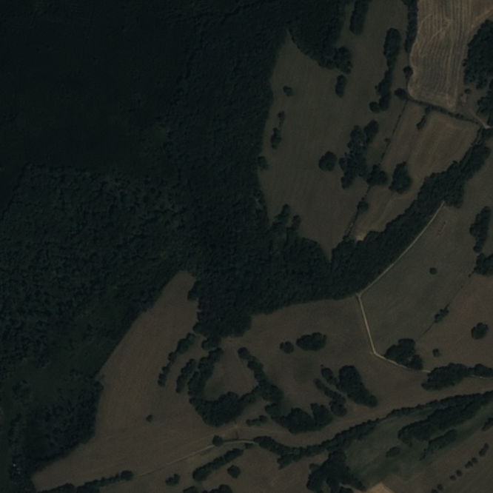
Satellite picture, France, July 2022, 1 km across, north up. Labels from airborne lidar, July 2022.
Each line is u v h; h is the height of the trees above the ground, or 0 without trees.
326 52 16
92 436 8
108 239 21
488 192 0
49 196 19
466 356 0
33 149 9
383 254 11
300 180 0
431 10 0
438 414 16
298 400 0
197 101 23
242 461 0
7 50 7
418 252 0
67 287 11
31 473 20
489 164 0
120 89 8
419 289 0
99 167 8
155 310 0
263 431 0
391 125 0
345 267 17
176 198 21
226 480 0
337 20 12
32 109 8
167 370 14
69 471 0
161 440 0
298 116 0
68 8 7
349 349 0
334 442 10
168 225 19
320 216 0
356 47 0
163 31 9
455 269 0
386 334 0
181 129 21
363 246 15
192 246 18
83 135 9
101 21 8
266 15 23
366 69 0
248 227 21
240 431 0
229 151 22
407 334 0
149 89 7
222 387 0
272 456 0
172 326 0
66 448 18
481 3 0
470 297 0
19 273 13
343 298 15
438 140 0
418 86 0
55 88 8
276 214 0
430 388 15
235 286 19
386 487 0
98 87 9
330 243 0
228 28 25
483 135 9
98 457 0
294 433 16
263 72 22
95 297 21
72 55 6
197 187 25
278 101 0
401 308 0
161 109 9
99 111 8
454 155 0
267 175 0
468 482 0
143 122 11
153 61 7
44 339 18
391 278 0
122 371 0
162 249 21
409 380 0
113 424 0
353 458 0
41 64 7
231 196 17
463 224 0
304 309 0
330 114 0
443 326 0
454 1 0
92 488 17
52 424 23
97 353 0
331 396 12
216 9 8
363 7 16
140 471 0
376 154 0
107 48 8
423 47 0
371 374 0
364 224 0
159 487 0
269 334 0
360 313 0
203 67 27
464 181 13
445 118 0
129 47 8
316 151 0
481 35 15
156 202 10
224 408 21
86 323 0
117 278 20
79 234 19
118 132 9
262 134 14
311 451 15
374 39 0
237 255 9
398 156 0
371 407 13
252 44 21
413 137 0
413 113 0
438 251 0
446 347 0
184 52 10
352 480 18
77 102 10
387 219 0
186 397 0
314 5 8
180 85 27
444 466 0
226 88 22
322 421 18
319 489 17
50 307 22
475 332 14
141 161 9
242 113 21
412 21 13
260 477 0
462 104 0
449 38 0
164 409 0
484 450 11
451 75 0
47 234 19
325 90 0
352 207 0
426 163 0
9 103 10
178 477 13
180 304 0
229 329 19
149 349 0
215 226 24
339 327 0
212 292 18
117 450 0
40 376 0
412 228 10
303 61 0
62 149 10
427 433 21
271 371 0
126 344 0
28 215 15
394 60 14
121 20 8
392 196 0
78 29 6
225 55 24
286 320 0
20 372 0
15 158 9
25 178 21
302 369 0
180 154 18
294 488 0
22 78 9
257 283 23
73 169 18
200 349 0
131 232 17
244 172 20
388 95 17
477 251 12
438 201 14
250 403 14
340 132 0
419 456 0
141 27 10
